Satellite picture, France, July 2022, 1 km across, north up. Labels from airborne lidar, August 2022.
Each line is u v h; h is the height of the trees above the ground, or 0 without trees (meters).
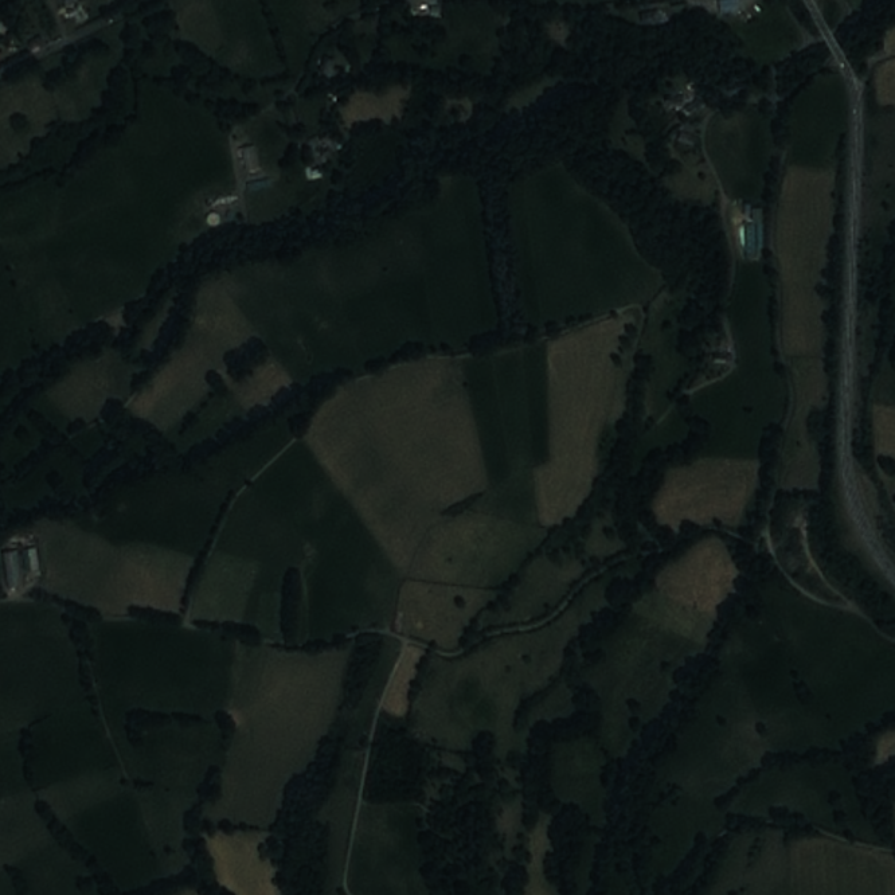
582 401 0
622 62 37
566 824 22
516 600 0
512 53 20
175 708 0
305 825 14
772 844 0
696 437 18
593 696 20
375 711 0
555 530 11
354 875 0
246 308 0
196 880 21
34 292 0
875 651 0
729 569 0
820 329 0
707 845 18
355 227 20
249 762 0
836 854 0
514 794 18
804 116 0
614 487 20
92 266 0
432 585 0
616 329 0
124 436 22
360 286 0
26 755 17
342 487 0
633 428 18
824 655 0
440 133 18
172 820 0
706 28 26
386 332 0
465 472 0
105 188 0
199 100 9
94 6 0
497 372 0
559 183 0
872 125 0
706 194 0
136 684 0
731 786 0
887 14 25
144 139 0
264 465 0
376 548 0
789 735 0
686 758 0
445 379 0
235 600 0
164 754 0
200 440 0
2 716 0
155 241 0
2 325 0
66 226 0
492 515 0
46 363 16
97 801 0
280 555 0
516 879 22
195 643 0
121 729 0
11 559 0
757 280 0
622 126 0
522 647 0
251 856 0
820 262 0
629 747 0
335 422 0
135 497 0
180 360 0
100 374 0
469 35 0
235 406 0
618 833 20
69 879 0
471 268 0
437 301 0
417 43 12
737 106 14
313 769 9
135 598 0
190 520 0
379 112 0
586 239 0
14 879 14
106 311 0
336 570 0
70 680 0
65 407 0
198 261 22
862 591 8
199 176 0
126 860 0
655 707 0
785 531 0
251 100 0
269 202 0
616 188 19
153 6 15
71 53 17
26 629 0
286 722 0
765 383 0
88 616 16
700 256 11
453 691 0
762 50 0
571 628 0
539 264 0
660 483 8
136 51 20
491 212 10
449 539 0
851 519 0
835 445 9
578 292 0
